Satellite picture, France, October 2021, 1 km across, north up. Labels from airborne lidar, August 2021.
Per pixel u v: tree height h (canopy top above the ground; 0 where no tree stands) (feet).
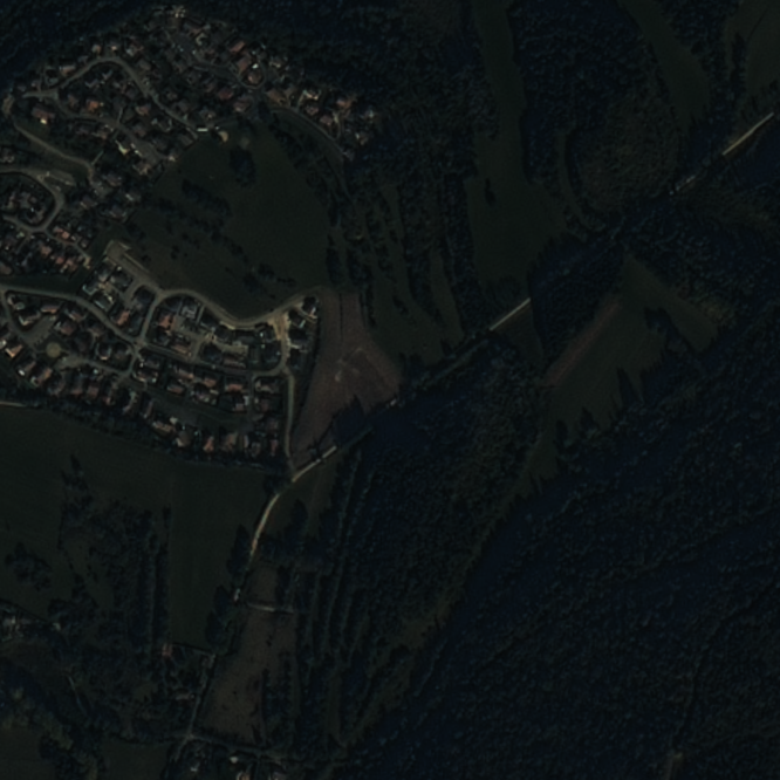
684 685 31
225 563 0
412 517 61
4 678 0
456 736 70
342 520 25
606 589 39
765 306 83
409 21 19
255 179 54
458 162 46
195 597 0
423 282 50
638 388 0
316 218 0
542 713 41
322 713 45
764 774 31
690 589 34
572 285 79
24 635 30
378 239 41
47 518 0
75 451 0
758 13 0
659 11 21
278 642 0
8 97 0
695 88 0
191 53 0
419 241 49
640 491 47
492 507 54
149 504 0
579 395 0
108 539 63
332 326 0
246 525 0
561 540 60
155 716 27
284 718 51
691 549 41
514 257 0
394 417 0
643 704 40
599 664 36
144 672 34
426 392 29
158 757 0
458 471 50
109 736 45
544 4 24
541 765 43
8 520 0
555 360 26
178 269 0
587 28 96
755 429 61
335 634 39
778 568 40
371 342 0
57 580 0
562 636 33
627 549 50
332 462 0
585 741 63
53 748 61
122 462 0
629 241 57
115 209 0
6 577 0
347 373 0
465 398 59
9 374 0
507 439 30
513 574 33
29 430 0
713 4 108
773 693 40
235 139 0
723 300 74
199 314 0
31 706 122
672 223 81
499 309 73
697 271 32
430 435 101
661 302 0
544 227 0
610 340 0
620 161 20
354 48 68
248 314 0
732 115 64
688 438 45
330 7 36
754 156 0
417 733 41
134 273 0
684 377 69
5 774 0
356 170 39
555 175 60
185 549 0
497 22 0
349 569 43
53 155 0
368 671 52
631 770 61
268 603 0
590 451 24
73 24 36
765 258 86
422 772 61
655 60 29
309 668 32
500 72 0
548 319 82
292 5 72
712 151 68
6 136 64
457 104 22
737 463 33
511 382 46
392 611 51
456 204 69
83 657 28
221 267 0
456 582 27
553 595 35
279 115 0
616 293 41
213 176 0
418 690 41
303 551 43
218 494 0
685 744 32
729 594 42
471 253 73
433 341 0
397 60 62
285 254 0
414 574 26
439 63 19
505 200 0
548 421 0
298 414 0
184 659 39
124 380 0
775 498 35
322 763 37
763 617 50
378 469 63
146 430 40
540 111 65
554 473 0
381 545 75
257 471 33
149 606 40
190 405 0
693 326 0
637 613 40
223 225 50
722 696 32
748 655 38
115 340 30
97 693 30
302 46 32
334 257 26
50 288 0
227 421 0
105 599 0
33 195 0
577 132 77
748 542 36
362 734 0
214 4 34
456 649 48
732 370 50
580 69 75
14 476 0
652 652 29
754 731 32
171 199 0
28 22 34
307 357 0
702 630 31
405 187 49
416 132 19
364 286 47
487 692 33
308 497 0
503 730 29
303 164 72
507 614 53
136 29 28
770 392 28
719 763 41
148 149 0
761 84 0
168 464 0
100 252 0
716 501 52
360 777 40
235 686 0
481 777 34
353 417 0
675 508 33
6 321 0
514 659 41
